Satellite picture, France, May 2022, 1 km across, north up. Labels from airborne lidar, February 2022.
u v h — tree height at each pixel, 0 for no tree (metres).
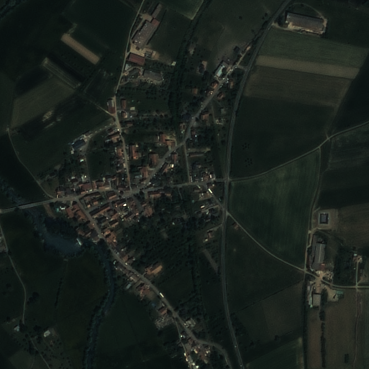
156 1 0
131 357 0
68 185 0
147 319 0
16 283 0
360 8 0
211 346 0
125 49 0
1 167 0
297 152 0
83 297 0
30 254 0
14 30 0
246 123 0
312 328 0
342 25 0
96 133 0
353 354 0
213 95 0
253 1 0
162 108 0
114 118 0
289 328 0
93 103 0
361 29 0
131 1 0
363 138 0
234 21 0
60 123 0
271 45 0
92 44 0
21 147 0
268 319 0
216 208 0
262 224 0
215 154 0
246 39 0
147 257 7
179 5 0
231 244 0
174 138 0
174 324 0
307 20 0
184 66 7
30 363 0
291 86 0
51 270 0
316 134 0
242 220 0
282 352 0
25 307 0
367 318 0
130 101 0
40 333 17
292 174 0
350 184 0
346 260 0
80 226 7
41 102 0
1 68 0
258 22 0
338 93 0
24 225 0
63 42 0
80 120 0
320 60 0
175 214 14
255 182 0
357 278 0
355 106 0
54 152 0
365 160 0
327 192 0
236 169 0
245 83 0
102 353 0
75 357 0
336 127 0
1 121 0
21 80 0
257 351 0
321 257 0
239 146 0
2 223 0
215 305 0
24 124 0
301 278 0
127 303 0
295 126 0
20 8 0
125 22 0
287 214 0
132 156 0
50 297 0
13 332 0
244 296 0
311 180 0
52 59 0
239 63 0
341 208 0
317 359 0
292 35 0
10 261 0
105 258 0
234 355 0
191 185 0
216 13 0
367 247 0
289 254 0
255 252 0
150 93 7
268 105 0
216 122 0
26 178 0
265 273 0
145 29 0
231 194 0
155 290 0
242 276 0
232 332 0
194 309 6
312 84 0
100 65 0
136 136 0
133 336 0
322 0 0
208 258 0
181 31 0
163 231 0
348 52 0
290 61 0
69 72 0
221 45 0
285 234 0
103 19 0
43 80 0
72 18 0
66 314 0
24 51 0
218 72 0
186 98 0
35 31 0
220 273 12
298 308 0
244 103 0
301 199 0
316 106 0
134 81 0
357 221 0
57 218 0
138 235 11
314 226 0
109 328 0
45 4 0
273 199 0
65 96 0
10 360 0
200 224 12
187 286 0
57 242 0
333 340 0
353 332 0
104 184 0
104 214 0
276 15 0
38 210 0
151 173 0
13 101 0
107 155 0
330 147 0
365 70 0
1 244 0
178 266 8
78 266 0
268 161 0
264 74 0
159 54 0
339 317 0
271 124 0
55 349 0
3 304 0
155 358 0
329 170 0
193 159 0
